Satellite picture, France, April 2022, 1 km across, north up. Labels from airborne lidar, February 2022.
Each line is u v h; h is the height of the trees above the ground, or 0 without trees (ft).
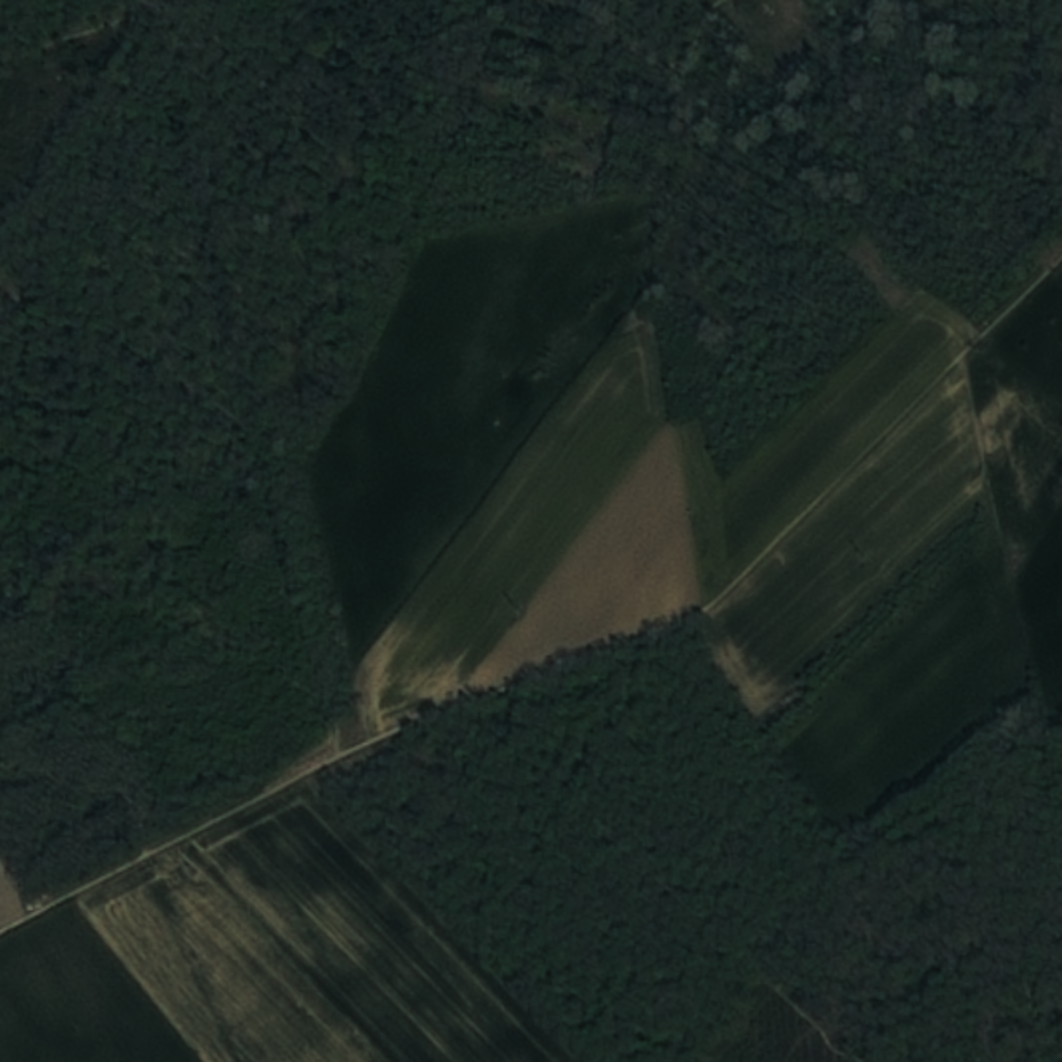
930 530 0
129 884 0
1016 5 51
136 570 88
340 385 78
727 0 0
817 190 83
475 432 0
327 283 89
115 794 75
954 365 0
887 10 115
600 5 94
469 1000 0
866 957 96
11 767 58
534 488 0
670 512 0
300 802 0
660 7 73
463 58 105
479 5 90
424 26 68
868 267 0
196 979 0
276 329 94
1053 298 0
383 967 0
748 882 86
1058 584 0
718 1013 94
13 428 79
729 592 0
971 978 92
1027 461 0
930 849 90
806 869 94
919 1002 88
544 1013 74
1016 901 86
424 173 70
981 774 73
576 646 0
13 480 85
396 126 61
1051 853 85
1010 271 62
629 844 90
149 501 87
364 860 0
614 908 95
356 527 0
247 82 81
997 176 53
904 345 0
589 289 0
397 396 0
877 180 72
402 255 80
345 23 92
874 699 0
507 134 61
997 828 90
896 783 0
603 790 85
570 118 0
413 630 0
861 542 0
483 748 80
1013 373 0
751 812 80
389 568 0
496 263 0
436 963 0
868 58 81
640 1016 88
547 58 74
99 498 78
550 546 0
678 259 0
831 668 30
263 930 0
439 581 0
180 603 75
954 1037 92
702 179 27
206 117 78
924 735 0
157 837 76
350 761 0
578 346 0
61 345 99
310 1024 0
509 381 0
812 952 95
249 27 75
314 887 0
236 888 0
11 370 84
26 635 89
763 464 0
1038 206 55
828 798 0
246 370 86
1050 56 106
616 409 0
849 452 0
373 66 81
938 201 64
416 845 84
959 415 0
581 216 0
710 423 29
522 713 82
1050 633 0
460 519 0
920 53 86
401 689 0
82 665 75
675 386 22
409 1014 0
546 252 0
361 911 0
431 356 0
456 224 55
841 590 0
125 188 86
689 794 75
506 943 89
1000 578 0
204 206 80
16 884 59
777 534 0
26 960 0
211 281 83
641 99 96
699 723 80
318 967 0
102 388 71
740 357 51
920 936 93
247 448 81
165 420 78
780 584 0
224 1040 0
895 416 0
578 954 90
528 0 91
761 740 70
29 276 86
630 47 86
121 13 79
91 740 82
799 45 0
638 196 79
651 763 76
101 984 0
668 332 19
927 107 115
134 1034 0
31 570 50
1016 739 84
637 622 0
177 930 0
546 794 76
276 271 75
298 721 43
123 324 92
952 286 43
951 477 0
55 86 0
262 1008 0
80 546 80
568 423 0
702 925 87
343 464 0
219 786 50
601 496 0
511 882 91
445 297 0
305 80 85
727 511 0
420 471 0
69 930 0
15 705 34
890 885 85
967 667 0
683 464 0
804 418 0
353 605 0
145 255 90
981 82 82
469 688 0
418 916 0
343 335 89
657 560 0
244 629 67
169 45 77
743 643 0
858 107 102
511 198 45
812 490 0
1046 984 95
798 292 80
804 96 104
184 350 84
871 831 63
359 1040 0
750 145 111
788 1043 0
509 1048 0
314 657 71
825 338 65
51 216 84
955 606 0
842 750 0
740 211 74
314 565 71
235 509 63
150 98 71
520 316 0
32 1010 0
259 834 0
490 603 0
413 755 65
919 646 0
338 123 86
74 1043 0
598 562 0
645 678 89
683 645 74
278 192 88
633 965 92
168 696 38
